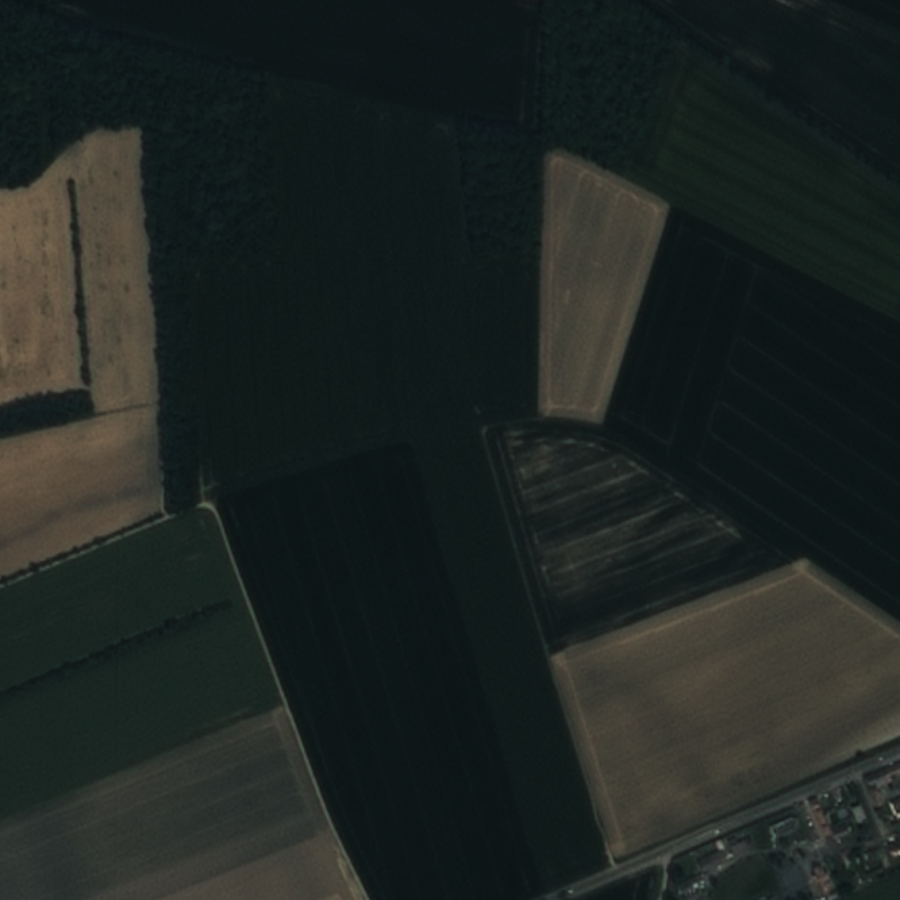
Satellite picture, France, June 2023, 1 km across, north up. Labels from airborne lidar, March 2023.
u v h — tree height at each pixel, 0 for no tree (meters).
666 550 0
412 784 0
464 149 16
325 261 0
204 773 0
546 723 0
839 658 0
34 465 0
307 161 0
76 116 16
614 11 22
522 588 0
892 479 0
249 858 0
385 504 0
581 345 0
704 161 0
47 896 0
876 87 0
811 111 0
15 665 0
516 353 0
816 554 0
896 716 0
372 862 0
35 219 0
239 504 0
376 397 0
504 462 0
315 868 0
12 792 0
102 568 0
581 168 0
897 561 0
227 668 0
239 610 0
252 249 14
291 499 0
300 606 0
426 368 0
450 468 0
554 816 0
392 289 0
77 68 24
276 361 0
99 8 0
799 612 0
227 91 18
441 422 0
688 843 0
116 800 0
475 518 0
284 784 0
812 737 0
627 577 0
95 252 0
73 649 0
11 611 0
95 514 0
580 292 0
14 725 0
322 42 0
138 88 22
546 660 0
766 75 0
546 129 16
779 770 0
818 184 0
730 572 0
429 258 0
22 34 17
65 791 0
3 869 0
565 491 0
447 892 0
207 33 0
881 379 0
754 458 0
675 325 0
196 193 25
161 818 0
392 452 0
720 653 0
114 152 0
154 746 0
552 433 0
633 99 21
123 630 0
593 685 0
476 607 0
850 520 0
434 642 0
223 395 0
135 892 0
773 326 0
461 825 0
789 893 0
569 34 16
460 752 0
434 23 0
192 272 0
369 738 0
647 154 0
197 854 0
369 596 0
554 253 0
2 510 0
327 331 0
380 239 0
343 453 0
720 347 0
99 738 0
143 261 0
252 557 0
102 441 0
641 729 0
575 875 0
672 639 0
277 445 0
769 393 0
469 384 0
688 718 0
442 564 0
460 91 0
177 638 0
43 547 0
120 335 0
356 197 0
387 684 0
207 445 0
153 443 0
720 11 0
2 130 16
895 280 0
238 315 0
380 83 0
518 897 0
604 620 0
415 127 0
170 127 16
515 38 0
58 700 0
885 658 0
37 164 15
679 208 0
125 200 0
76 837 0
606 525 0
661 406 0
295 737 0
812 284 0
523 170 23
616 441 0
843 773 0
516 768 0
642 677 0
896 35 0
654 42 17
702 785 0
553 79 15
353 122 0
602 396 0
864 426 0
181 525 0
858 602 0
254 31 0
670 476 0
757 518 0
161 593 0
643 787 0
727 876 0
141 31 0
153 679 0
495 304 0
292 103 0
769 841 0
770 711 0
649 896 0
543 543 0
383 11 0
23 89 19
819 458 0
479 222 21
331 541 0
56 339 0
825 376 0
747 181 0
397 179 0
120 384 0
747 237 0
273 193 9
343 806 0
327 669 0
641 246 0
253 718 0
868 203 0
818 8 0
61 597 0
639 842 0
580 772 0
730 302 0
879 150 0
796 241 0
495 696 0
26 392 0
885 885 0
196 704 0
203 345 0
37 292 0
